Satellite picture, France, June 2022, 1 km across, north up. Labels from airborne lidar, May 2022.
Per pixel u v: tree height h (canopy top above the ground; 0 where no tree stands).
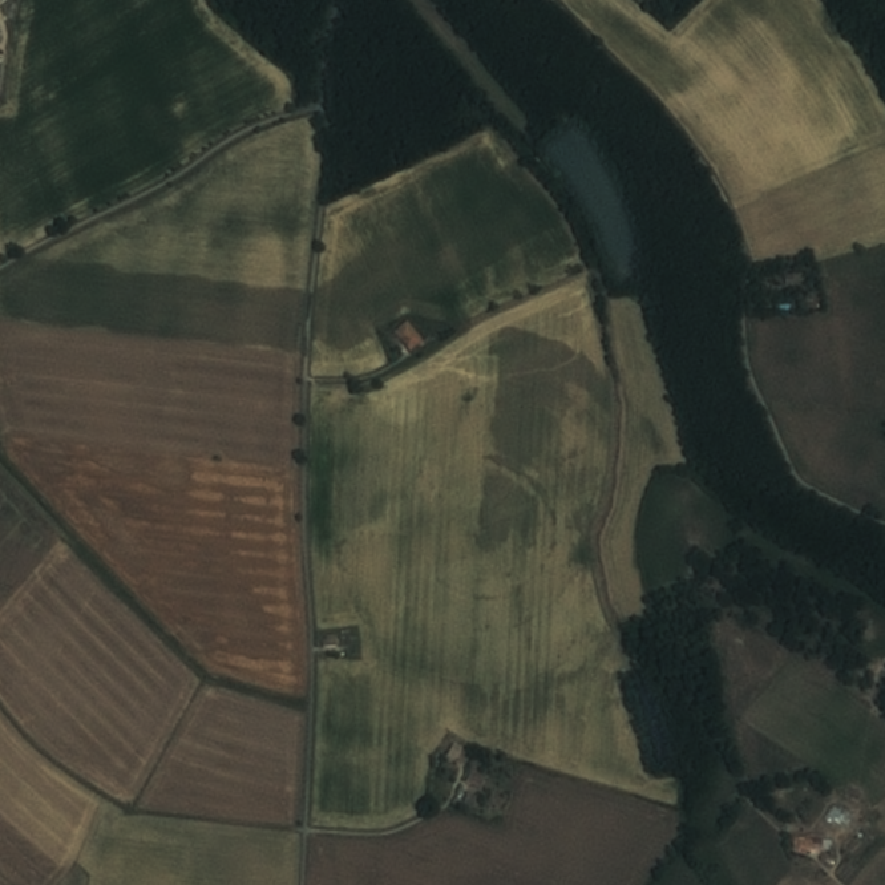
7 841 0
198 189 0
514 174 0
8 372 0
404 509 0
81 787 0
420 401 0
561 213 12
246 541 0
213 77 0
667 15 18
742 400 12
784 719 0
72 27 0
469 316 0
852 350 0
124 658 0
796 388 0
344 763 0
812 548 15
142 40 0
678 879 0
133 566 0
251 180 0
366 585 0
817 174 0
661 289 22
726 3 0
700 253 15
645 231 17
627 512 0
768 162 0
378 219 0
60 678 0
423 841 0
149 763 0
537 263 0
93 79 0
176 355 0
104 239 0
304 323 0
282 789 0
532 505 0
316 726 0
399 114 22
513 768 0
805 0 0
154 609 0
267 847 0
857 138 0
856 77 0
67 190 0
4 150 0
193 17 0
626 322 0
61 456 0
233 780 0
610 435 0
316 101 7
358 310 0
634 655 15
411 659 0
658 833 0
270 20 15
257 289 0
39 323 0
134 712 0
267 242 0
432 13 0
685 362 18
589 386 0
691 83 0
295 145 0
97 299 0
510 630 0
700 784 13
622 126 18
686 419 12
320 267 0
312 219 0
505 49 18
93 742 0
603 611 0
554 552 0
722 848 0
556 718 0
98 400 0
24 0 0
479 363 0
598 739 0
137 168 0
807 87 0
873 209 0
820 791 12
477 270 0
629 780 0
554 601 0
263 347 0
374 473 0
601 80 13
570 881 0
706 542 0
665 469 11
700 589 9
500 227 0
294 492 0
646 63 0
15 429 0
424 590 0
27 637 0
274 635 0
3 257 11
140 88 0
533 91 19
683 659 12
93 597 0
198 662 0
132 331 0
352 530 0
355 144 16
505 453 0
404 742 0
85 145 0
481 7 15
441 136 20
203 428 0
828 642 12
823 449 0
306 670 0
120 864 0
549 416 0
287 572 0
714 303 15
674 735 22
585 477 0
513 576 0
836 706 0
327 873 0
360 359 0
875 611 0
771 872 0
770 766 0
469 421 0
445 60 25
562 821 0
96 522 0
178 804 0
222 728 0
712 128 0
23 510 0
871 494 0
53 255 0
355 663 0
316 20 22
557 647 0
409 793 0
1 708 0
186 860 0
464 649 0
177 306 0
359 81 19
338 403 0
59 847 0
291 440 0
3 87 0
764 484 10
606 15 0
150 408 0
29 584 0
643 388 0
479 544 0
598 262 6
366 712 0
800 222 0
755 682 0
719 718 14
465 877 0
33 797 0
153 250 0
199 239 0
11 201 0
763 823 0
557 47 14
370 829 0
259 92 0
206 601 0
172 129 0
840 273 0
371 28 20
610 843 0
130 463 0
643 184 24
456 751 0
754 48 0
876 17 6
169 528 0
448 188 0
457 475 0
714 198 10
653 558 0
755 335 0
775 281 9
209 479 0
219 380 0
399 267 0
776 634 17
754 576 20
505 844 0
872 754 0
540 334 0
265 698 0
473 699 0
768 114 0
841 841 0
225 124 0
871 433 0
